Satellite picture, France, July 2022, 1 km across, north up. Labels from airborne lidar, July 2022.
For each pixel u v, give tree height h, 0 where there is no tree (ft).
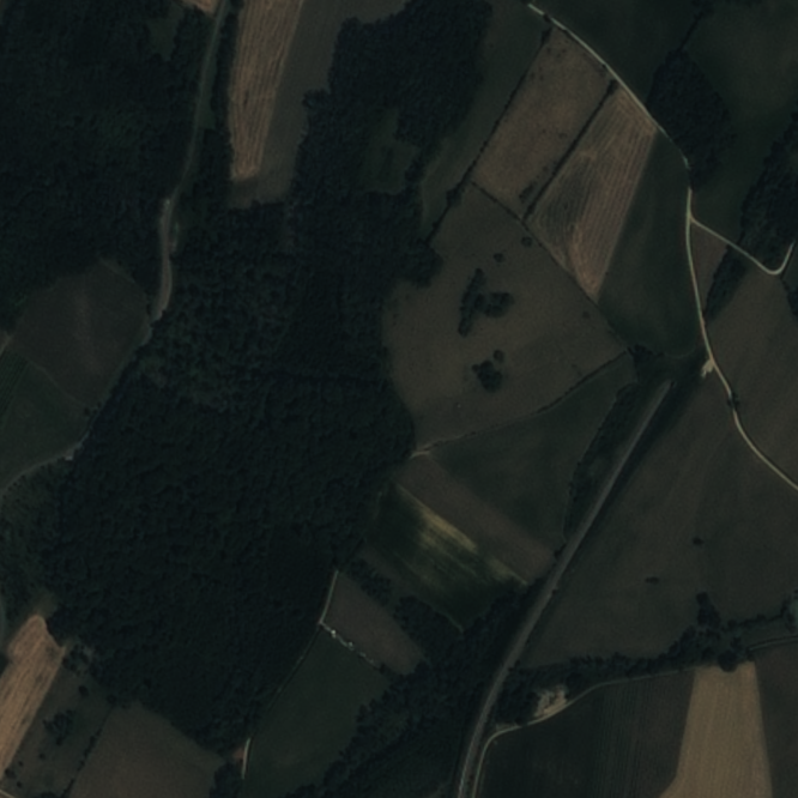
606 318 0
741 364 0
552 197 0
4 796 0
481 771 0
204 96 0
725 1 39
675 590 0
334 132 40
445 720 59
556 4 0
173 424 79
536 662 0
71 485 57
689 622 0
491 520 0
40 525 48
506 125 0
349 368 33
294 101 0
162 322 39
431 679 91
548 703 0
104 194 79
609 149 0
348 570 40
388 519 0
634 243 0
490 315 28
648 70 0
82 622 66
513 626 36
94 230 90
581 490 33
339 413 93
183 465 93
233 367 52
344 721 0
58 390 0
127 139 24
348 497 82
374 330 51
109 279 0
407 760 46
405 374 0
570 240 0
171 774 0
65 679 0
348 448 81
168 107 62
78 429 0
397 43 75
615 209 0
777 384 0
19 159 89
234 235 78
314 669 0
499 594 0
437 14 66
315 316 33
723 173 0
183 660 33
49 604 0
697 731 0
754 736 0
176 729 26
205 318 57
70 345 0
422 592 0
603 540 0
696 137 66
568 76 0
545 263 0
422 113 78
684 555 0
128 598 83
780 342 0
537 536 0
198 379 39
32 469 0
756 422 0
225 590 53
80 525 82
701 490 0
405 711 81
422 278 67
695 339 0
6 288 83
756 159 0
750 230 37
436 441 0
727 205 0
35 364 0
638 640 0
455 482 0
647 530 0
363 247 74
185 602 61
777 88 0
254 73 0
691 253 0
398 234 76
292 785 0
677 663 45
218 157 43
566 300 0
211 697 31
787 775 0
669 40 0
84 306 0
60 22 37
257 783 0
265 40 0
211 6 0
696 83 68
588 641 0
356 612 0
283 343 23
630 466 0
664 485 0
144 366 34
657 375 0
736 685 0
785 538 0
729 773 0
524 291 0
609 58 0
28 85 54
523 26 0
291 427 94
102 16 38
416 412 0
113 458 76
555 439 0
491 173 0
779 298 0
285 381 100
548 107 0
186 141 74
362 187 66
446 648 55
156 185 63
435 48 75
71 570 88
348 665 0
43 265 73
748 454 0
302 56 0
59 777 0
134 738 0
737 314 0
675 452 0
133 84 76
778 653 0
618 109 0
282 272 45
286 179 0
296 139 0
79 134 73
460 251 0
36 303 0
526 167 0
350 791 49
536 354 0
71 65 68
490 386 52
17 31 66
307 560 22
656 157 0
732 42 0
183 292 61
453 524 0
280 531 23
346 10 0
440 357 0
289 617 51
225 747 62
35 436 0
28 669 0
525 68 0
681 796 0
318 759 0
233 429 86
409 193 43
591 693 0
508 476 0
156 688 31
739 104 0
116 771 0
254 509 83
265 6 0
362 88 82
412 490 0
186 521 81
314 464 89
